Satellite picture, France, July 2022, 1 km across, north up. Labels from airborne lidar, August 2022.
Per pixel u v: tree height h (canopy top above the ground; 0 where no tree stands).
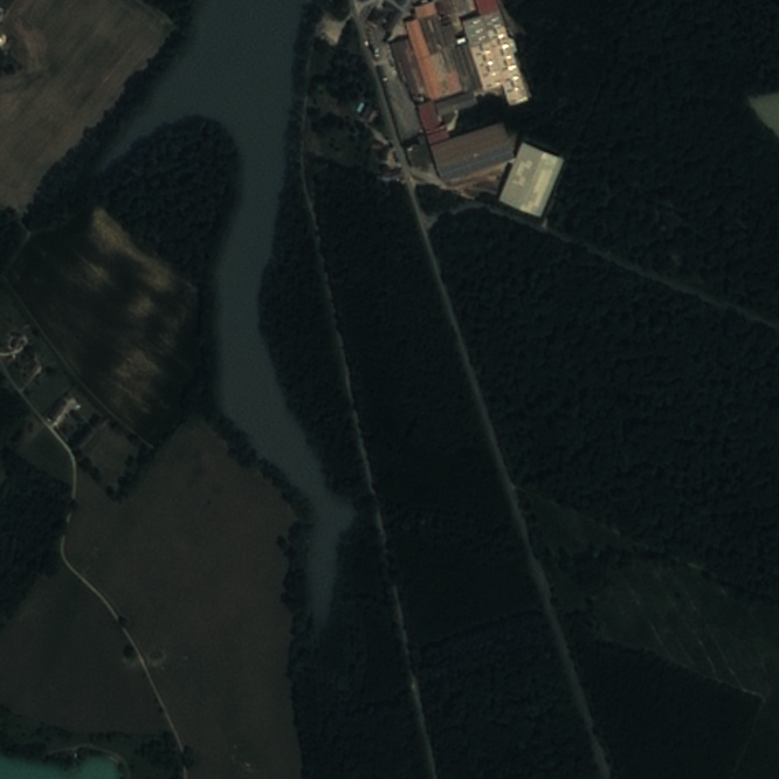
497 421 17
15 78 0
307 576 19
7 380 14
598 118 16
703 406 24
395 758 26
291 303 22
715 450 24
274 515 0
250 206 0
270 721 0
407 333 20
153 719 0
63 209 26
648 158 21
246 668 0
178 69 0
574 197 20
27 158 0
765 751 0
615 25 15
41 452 0
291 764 0
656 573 0
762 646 0
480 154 0
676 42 15
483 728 25
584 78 20
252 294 0
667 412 26
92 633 0
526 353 23
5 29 0
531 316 23
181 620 0
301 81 24
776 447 22
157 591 0
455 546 9
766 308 17
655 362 14
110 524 0
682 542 25
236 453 17
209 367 20
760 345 19
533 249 19
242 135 0
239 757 0
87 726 0
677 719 9
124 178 24
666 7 19
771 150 15
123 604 0
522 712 24
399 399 14
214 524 0
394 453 15
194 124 22
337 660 15
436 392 17
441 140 0
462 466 11
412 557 9
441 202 12
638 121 14
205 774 0
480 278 20
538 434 9
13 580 10
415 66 0
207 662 0
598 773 19
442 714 22
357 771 22
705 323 22
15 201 0
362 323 23
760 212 14
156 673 0
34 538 10
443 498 11
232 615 0
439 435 15
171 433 6
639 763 10
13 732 0
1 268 19
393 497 8
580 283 27
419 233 13
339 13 7
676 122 25
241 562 0
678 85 24
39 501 11
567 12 20
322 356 21
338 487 23
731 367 17
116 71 0
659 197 21
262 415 0
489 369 20
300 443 0
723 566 21
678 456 24
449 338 20
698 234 12
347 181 22
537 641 20
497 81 0
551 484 22
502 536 18
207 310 19
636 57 22
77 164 26
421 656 14
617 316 22
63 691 0
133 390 0
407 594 8
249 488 0
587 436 18
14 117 0
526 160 0
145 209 10
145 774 0
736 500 22
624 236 19
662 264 24
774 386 21
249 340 0
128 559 0
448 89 0
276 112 0
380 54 0
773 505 22
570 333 28
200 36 0
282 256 17
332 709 13
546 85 10
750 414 23
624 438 21
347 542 16
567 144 13
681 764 11
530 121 14
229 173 21
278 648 0
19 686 0
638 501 16
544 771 20
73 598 0
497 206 13
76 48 0
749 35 10
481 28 0
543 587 0
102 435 0
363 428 14
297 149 22
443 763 23
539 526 14
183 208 24
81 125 0
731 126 20
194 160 25
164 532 0
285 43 0
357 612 9
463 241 24
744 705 9
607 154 19
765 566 23
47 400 0
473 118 13
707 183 21
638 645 0
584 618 8
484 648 21
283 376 20
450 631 6
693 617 0
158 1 21
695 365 16
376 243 23
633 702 13
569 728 24
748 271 20
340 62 6
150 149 24
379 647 7
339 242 26
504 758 20
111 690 0
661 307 9
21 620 0
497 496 8
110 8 0
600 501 22
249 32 0
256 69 0
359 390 17
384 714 23
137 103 23
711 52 21
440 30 0
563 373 23
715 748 12
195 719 0
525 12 12
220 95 0
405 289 19
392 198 19
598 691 13
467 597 7
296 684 20
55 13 0
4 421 11
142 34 0
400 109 0
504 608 6
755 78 23
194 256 25
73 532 0
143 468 14
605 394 20
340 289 23
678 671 10
